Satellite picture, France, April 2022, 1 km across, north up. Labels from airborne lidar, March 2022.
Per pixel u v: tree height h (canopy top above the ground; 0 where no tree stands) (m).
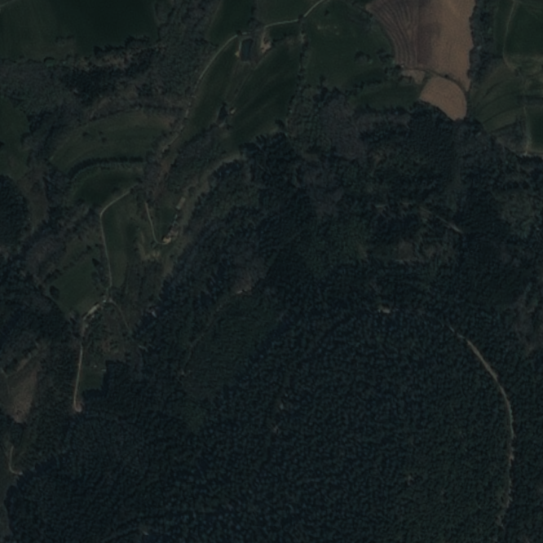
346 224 14
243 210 9
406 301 17
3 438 28
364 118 23
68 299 0
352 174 22
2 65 12
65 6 0
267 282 10
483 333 29
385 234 14
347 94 7
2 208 27
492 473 29
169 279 0
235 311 6
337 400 22
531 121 0
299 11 0
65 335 16
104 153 0
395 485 22
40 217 0
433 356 23
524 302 28
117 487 17
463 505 24
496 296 13
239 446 29
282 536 29
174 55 18
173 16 10
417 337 30
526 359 39
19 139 0
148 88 12
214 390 7
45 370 12
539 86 0
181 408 20
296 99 9
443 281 17
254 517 26
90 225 16
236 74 0
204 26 26
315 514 29
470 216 23
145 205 12
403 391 31
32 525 10
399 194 14
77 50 0
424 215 0
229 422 6
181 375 16
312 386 28
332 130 29
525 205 13
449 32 0
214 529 21
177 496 27
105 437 22
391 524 16
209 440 25
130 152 0
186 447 17
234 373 7
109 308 9
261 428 25
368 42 0
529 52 0
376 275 8
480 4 16
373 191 13
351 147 28
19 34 0
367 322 27
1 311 33
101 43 0
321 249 18
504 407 25
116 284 0
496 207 26
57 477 18
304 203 17
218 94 0
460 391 26
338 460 25
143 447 23
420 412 24
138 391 18
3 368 27
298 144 10
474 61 16
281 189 17
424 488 24
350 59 0
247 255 29
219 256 19
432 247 12
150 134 0
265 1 0
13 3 0
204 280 23
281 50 0
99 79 15
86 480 20
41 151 20
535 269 16
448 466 27
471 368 20
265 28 16
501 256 24
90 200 0
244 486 25
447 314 24
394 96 0
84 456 21
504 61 14
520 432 30
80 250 0
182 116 17
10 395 0
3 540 16
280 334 9
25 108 17
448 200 27
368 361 24
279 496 21
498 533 30
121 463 19
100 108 0
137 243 7
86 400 0
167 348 29
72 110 21
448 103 0
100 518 17
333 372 17
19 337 27
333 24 0
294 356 24
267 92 0
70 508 19
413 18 0
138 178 0
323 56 0
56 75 18
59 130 23
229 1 0
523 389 25
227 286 28
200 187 0
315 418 25
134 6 0
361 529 26
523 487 32
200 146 25
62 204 27
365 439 24
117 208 0
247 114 0
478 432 27
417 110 10
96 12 0
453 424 34
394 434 14
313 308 15
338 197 30
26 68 14
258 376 21
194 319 14
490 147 18
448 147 26
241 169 17
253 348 7
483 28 22
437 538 26
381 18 0
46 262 29
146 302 7
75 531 23
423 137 28
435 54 0
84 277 0
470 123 16
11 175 0
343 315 26
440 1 0
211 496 27
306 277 15
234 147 0
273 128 0
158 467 27
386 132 13
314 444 29
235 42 0
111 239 0
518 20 0
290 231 26
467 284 18
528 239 21
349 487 22
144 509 14
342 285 22
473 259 24
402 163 20
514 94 0
